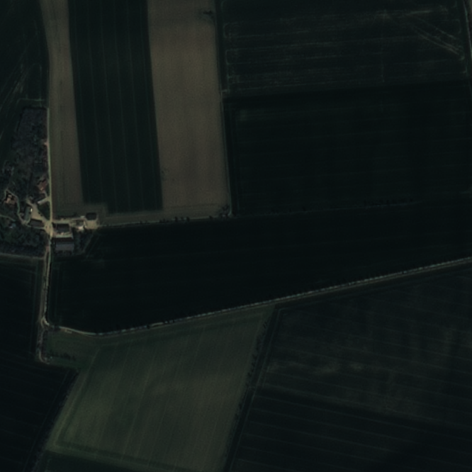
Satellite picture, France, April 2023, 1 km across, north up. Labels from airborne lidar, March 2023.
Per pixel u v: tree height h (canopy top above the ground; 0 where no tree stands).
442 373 0
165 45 0
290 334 0
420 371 0
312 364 0
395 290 0
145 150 0
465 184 0
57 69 0
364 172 0
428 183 0
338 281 0
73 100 0
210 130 0
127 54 0
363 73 0
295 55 0
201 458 0
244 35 0
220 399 0
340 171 0
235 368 0
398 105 0
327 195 0
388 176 0
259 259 0
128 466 0
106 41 0
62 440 0
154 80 0
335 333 0
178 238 0
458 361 0
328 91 0
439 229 0
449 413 0
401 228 0
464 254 0
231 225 0
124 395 0
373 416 0
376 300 0
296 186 0
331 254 0
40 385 0
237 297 0
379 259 0
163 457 0
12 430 0
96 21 0
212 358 0
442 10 0
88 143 0
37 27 0
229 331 0
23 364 0
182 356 0
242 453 0
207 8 0
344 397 0
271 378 0
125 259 0
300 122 0
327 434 0
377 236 0
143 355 0
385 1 0
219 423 0
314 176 0
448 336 0
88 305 0
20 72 0
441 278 0
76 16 0
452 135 0
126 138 0
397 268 0
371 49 0
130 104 0
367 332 0
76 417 0
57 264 0
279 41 0
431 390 0
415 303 0
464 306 0
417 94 0
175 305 0
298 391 0
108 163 0
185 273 0
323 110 0
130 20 0
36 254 6
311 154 0
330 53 0
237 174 0
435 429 0
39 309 0
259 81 0
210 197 0
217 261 0
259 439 0
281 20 0
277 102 0
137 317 0
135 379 0
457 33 0
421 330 0
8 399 0
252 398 0
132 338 0
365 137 0
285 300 12
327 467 0
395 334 0
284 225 0
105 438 0
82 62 0
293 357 0
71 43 0
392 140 0
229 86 0
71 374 0
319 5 0
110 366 0
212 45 0
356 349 0
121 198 0
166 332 0
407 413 0
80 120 0
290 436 0
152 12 0
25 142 10
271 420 0
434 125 0
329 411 0
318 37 0
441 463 0
